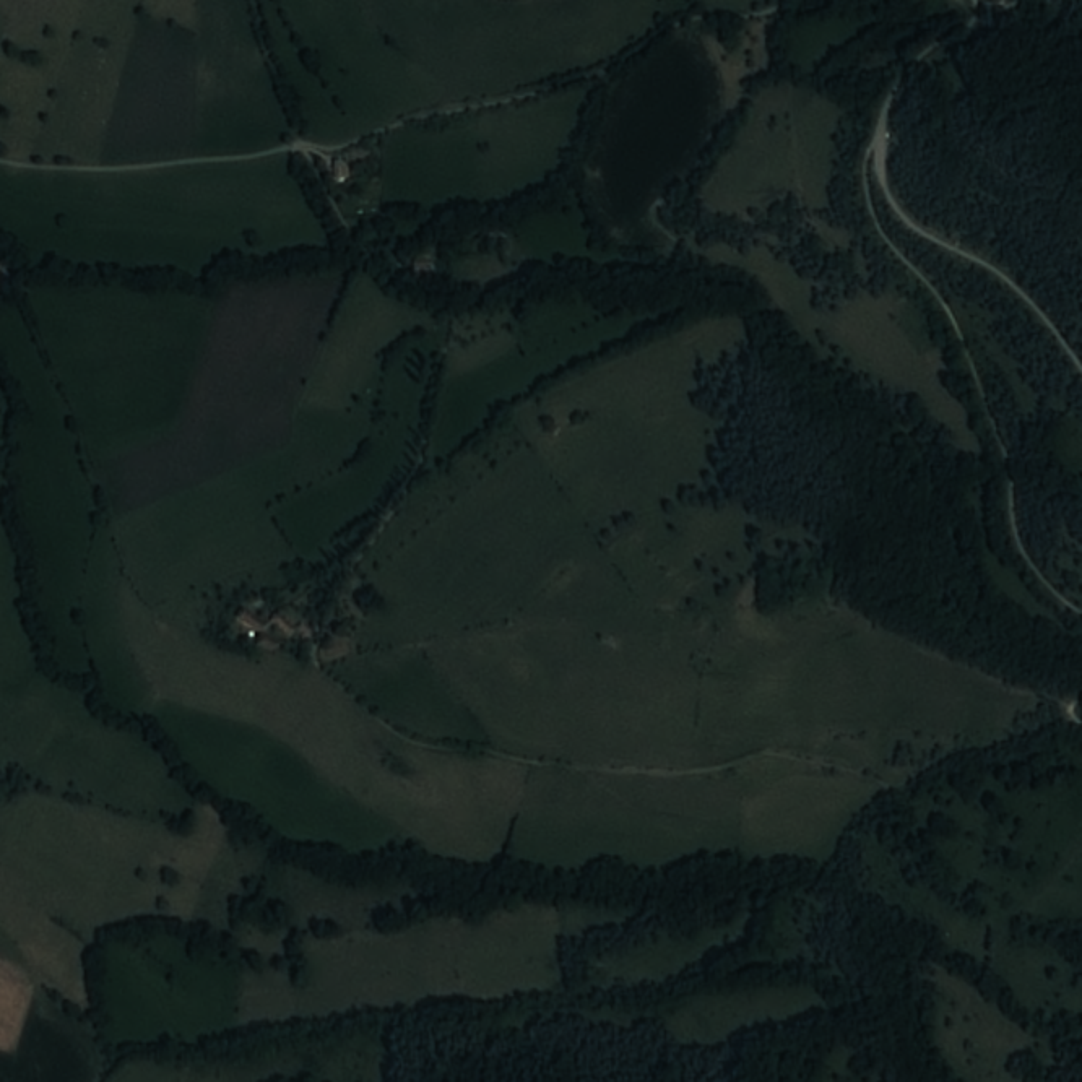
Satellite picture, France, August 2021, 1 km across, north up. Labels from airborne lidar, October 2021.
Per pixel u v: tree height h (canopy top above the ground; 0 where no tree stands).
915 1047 17
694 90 0
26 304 10
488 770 0
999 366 7
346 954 0
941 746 10
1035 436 17
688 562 0
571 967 11
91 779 0
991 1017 0
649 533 0
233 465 0
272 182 0
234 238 0
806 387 22
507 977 0
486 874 18
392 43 10
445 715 0
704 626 0
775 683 0
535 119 0
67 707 0
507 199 0
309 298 0
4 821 0
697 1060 13
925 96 14
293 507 0
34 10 0
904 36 9
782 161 0
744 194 0
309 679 0
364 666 0
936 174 12
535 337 0
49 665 15
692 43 0
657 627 0
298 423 0
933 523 31
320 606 8
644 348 13
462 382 0
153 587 0
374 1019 16
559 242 0
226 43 0
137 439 0
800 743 0
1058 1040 13
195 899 0
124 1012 0
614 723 0
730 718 0
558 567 0
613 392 0
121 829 0
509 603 0
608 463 0
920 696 0
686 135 0
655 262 14
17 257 24
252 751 0
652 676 0
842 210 11
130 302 0
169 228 0
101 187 0
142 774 0
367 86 0
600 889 16
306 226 0
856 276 7
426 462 7
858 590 22
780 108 0
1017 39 26
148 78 0
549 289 27
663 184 0
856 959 19
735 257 0
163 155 0
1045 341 13
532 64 0
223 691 0
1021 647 27
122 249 0
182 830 14
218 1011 0
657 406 0
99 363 0
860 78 7
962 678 0
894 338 0
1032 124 25
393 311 0
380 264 20
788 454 16
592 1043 10
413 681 0
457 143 0
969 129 12
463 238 16
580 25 0
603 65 11
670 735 0
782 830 0
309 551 0
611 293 29
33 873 0
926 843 16
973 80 25
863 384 22
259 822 17
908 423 15
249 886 14
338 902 0
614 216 0
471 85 0
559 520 0
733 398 16
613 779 0
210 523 0
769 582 9
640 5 0
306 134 13
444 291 15
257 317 0
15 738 0
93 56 0
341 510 0
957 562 27
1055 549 12
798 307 0
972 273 7
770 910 19
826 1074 12
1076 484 14
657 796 0
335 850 21
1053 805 0
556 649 0
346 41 0
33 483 0
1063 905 0
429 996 0
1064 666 22
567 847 0
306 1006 0
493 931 0
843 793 0
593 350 0
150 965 0
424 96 0
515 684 0
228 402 0
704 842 0
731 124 10
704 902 21
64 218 11
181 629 0
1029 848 0
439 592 0
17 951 0
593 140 24
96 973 18
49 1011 0
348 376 0
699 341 0
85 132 0
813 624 0
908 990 17
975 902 11
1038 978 0
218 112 0
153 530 0
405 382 0
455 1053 18
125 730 7
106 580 0
